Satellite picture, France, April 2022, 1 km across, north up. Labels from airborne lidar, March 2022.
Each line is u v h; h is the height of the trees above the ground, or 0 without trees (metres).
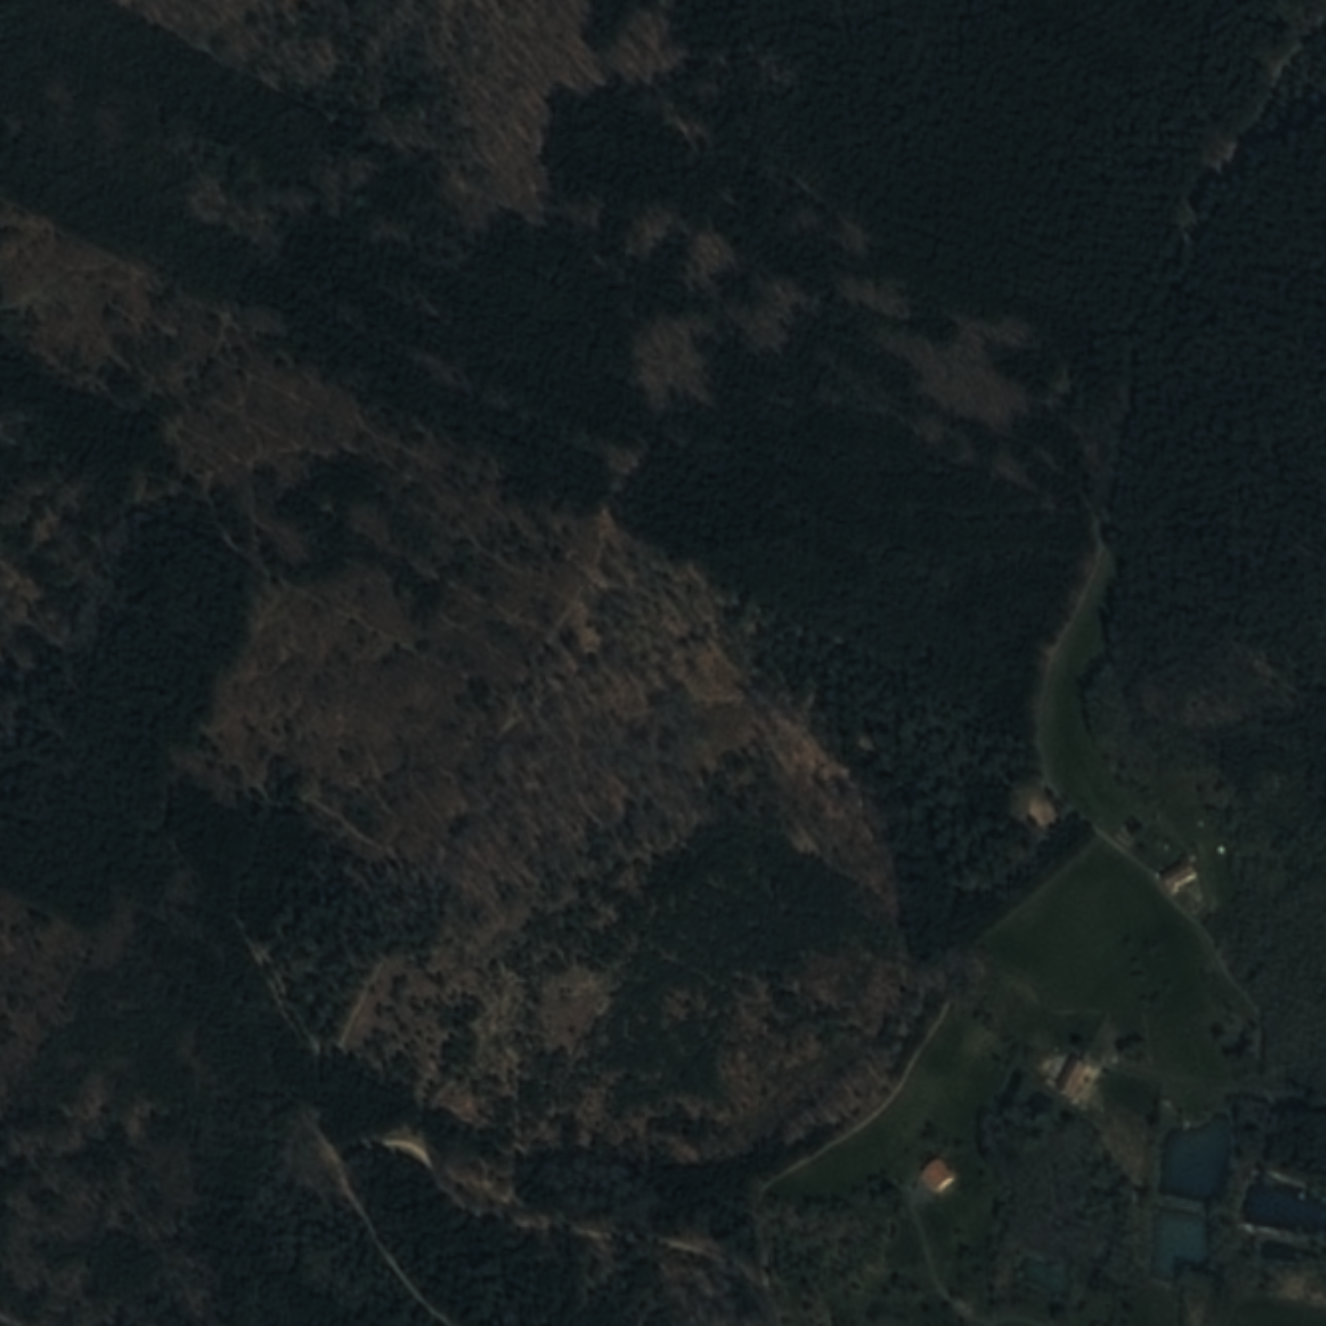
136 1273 19
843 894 13
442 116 23
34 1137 20
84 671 21
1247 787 17
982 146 29
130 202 14
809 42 26
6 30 10
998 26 30
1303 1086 13
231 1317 18
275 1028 14
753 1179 16
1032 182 30
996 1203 0
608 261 22
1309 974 16
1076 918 0
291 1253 26
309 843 11
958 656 25
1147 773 15
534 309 18
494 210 16
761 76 25
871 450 17
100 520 10
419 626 11
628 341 19
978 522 14
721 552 24
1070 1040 0
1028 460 18
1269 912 11
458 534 10
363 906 22
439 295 17
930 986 27
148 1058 13
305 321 23
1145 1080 0
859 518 18
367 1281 25
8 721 22
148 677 25
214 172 23
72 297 0
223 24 26
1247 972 10
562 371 17
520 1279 12
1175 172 26
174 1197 12
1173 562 22
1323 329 20
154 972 11
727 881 11
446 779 7
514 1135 13
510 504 12
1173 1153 0
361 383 19
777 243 18
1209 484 22
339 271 24
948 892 29
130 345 11
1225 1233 21
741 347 16
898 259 22
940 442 20
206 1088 11
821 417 18
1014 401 21
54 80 14
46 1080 13
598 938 11
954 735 27
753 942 13
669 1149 10
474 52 26
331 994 7
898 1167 0
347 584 10
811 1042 9
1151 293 30
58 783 21
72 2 12
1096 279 22
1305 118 16
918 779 8
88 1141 16
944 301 19
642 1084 7
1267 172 24
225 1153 12
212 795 11
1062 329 20
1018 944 0
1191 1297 8
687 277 18
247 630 23
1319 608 18
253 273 15
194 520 6
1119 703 25
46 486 16
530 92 22
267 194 21
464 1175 28
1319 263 23
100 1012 11
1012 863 24
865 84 27
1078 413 23
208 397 9
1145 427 26
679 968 7
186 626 20
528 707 30
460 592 7
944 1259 0
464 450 9
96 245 13
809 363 15
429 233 22
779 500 22
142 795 20
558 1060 11
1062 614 15
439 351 16
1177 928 0
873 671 23
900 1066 20
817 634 8
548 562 6
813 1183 0
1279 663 19
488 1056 0
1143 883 0
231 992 19
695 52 23
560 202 20
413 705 9
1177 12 22
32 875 21
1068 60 32
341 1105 22
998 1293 12
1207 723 22
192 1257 13
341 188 17
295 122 13
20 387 19
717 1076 11
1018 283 30
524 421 18
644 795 21
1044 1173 19
